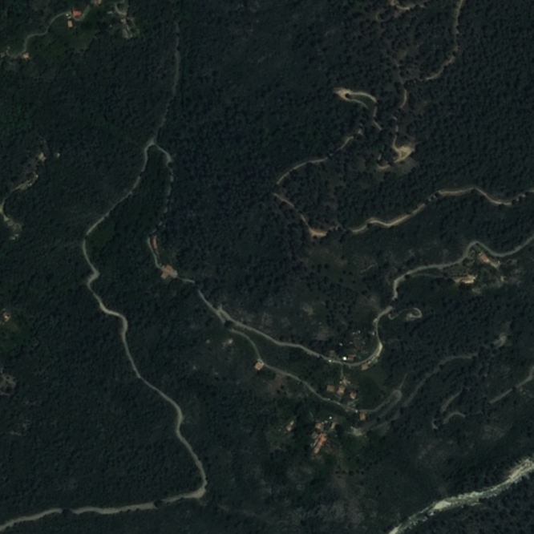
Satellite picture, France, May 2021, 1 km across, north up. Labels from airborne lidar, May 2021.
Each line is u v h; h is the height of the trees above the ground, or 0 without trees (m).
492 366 18
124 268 21
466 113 19
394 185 23
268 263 19
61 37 8
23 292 16
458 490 11
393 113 21
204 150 22
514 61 22
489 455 7
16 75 8
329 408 6
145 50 19
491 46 23
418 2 21
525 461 0
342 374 0
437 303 6
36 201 22
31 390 16
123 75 15
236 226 17
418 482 6
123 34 7
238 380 18
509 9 24
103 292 17
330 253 0
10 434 13
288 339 15
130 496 10
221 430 7
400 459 6
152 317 23
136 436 20
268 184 23
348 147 8
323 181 16
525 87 6
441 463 7
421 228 17
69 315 15
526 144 10
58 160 16
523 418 6
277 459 23
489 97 17
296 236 25
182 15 16
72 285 8
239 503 6
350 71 20
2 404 15
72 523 7
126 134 7
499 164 19
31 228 17
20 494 20
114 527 9
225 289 17
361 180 23
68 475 8
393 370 14
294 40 11
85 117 7
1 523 7
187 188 10
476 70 6
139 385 6
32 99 7
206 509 6
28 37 0
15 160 22
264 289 7
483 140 14
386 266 21
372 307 0
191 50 10
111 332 12
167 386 6
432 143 6
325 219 22
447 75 24
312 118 6
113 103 24
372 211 22
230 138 6
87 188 13
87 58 15
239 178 23
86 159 25
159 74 11
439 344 21
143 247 9
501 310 22
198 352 7
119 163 10
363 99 0
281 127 11
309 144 7
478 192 10
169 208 18
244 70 6
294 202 22
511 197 18
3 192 11
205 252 16
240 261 16
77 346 13
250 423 10
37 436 20
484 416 24
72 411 13
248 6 17
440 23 21
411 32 20
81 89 17
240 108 26
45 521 11
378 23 19
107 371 9
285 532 6
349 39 21
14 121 15
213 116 11
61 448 17
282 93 6
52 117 15
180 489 17
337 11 7
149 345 6
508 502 22
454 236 21
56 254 12
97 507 11
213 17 11
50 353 12
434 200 19
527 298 21
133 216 23
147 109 22
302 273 22
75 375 14
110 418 10
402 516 7
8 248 14
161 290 8
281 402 11
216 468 6
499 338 21
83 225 8
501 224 17
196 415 6
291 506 6
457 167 9
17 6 12
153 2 23
